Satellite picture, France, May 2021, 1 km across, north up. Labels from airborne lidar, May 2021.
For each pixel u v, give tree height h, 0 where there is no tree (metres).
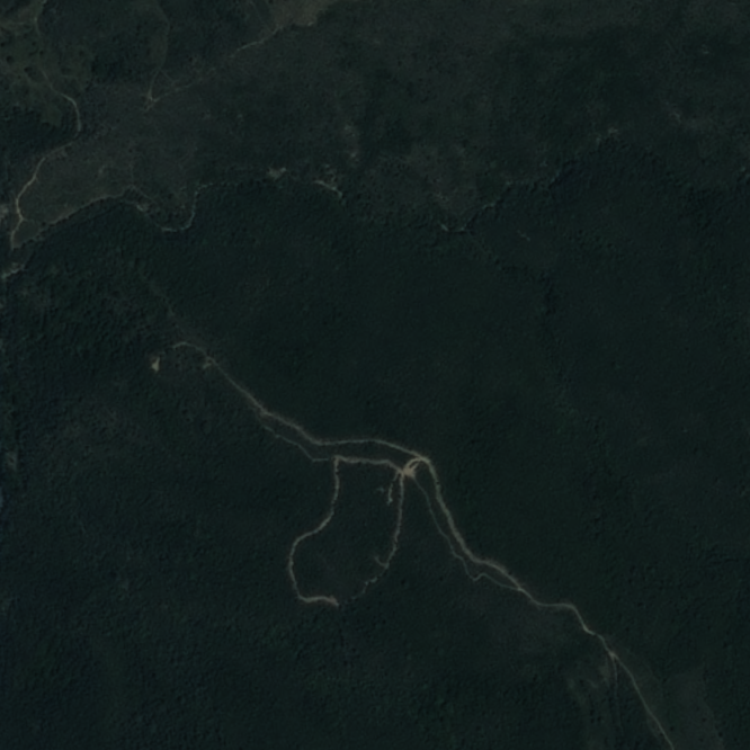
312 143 6
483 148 6
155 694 16
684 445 6
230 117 6
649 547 6
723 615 9
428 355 5
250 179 10
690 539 6
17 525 12
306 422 6
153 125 0
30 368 9
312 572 6
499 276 7
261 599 6
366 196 6
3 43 8
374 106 6
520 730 7
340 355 6
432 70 6
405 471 0
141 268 6
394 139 6
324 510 7
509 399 6
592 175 12
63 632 11
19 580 13
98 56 7
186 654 12
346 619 12
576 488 7
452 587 6
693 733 0
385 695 14
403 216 7
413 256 6
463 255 7
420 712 16
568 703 6
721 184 12
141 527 12
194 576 8
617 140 8
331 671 7
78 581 14
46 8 6
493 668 6
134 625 9
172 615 11
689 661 6
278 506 8
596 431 12
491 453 7
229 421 7
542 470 7
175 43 6
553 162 8
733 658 6
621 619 10
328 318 6
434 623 5
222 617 6
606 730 0
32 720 9
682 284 6
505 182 8
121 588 9
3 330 19
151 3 0
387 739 6
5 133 12
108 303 9
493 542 7
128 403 6
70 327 8
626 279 6
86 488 9
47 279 13
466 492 8
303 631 9
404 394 6
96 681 7
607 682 0
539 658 5
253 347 6
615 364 11
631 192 6
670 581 7
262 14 0
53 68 0
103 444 7
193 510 5
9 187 8
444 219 8
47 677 12
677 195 11
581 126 8
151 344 7
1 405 10
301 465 6
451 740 14
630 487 9
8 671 12
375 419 6
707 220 6
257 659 9
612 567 7
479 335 7
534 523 5
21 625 12
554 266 6
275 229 6
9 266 13
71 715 9
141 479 6
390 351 5
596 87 6
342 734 9
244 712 8
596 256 8
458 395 5
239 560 9
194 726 9
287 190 10
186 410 7
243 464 6
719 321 6
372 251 6
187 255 9
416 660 6
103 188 0
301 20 0
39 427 12
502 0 0
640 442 7
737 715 7
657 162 14
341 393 6
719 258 7
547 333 18
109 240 10
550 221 9
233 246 6
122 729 7
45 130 11
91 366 14
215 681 12
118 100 0
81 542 9
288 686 6
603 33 6
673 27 5
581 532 7
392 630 7
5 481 29
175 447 8
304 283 9
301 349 6
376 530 6
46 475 10
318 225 8
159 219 8
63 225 17
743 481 7
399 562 6
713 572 12
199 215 8
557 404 11
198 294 6
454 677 8
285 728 7
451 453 5
